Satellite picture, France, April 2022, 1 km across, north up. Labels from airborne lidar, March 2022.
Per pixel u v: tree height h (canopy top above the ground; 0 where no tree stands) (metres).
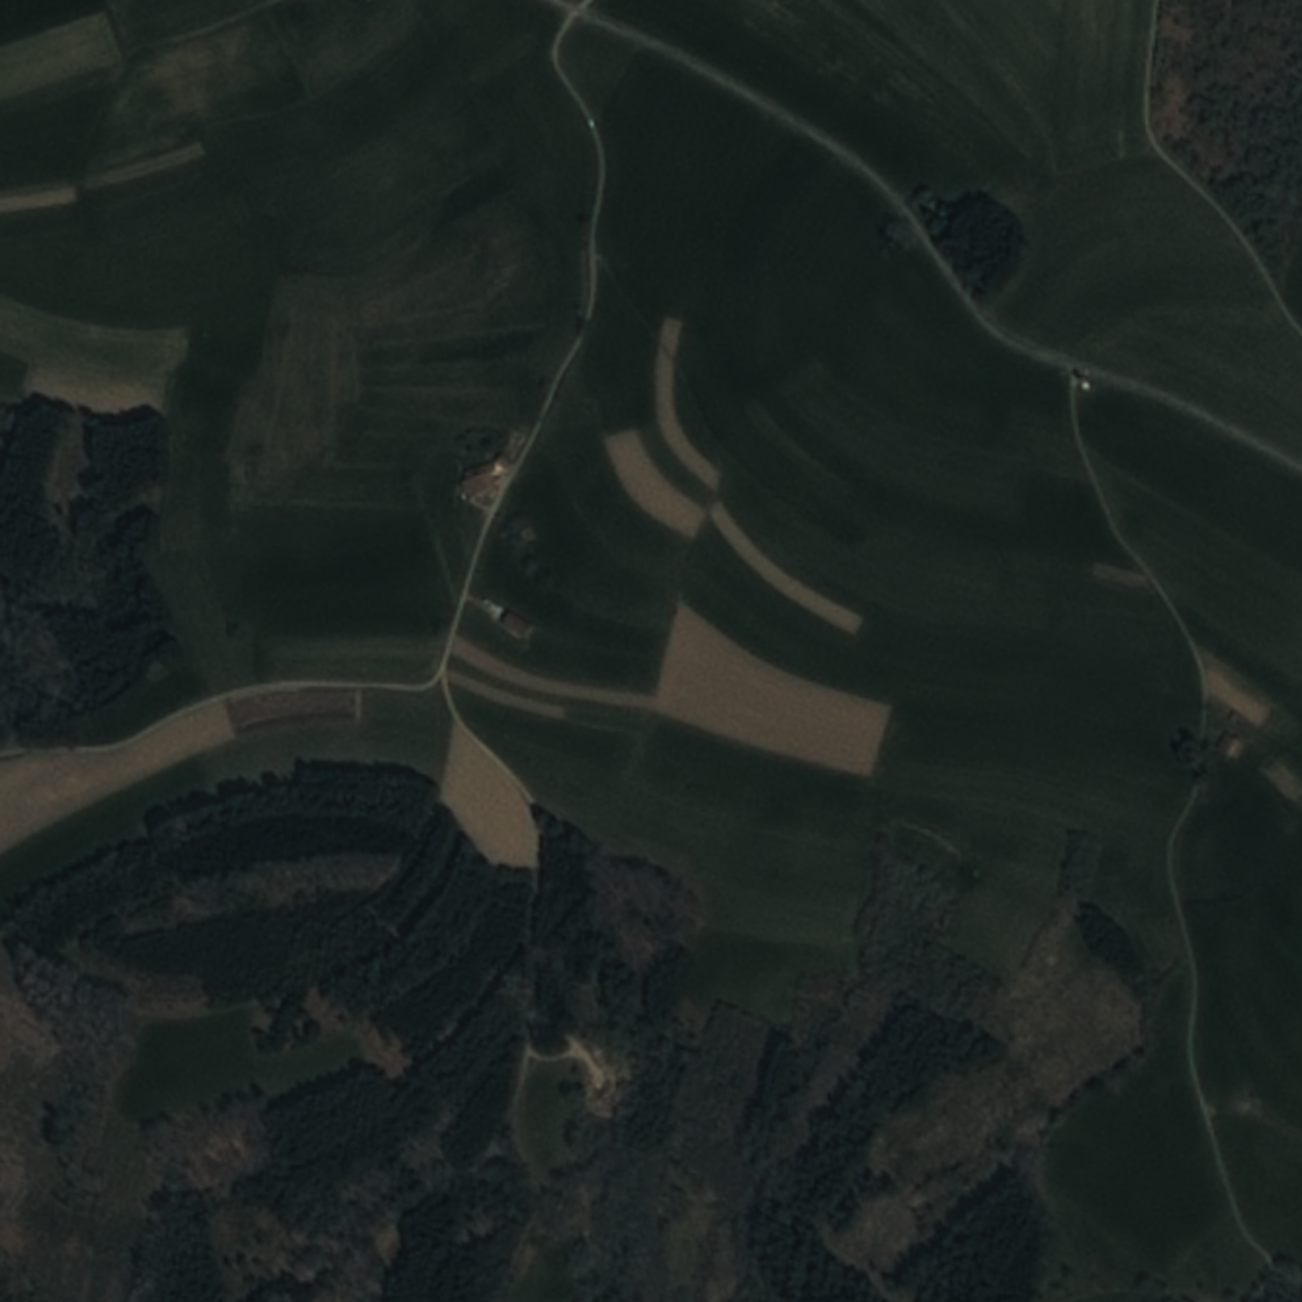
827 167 0
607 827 0
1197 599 0
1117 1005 0
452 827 18
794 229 0
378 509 0
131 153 0
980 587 0
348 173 0
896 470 0
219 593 0
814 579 0
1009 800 0
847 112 0
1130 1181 0
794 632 0
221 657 0
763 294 0
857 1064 0
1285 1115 0
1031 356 0
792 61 0
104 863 12
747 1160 17
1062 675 0
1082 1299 0
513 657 0
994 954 0
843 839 0
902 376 0
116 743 0
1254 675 0
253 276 0
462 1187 16
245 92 0
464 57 0
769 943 0
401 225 0
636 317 0
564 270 0
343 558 0
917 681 0
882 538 0
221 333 0
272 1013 9
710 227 0
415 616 0
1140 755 0
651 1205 17
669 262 0
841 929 0
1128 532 0
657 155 0
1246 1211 0
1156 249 0
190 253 0
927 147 0
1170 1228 0
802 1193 21
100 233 0
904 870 10
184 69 0
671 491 0
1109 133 0
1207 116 15
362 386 0
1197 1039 0
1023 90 0
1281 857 0
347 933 13
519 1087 7
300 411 0
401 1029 11
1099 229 0
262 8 0
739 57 0
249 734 0
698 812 0
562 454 0
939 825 0
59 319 0
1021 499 0
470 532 0
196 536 0
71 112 0
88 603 11
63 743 25
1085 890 9
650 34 0
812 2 0
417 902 20
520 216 0
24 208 0
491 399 0
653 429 0
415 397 0
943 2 0
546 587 12
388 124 0
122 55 0
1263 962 0
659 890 28
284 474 0
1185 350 0
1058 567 0
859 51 0
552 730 0
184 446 0
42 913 16
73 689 23
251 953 8
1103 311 0
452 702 0
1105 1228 0
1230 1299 11
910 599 0
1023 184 0
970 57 0
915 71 0
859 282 0
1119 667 0
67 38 0
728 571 0
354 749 0
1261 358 0
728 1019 7
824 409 0
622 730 0
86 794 0
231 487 0
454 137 0
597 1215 18
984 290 10
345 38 0
